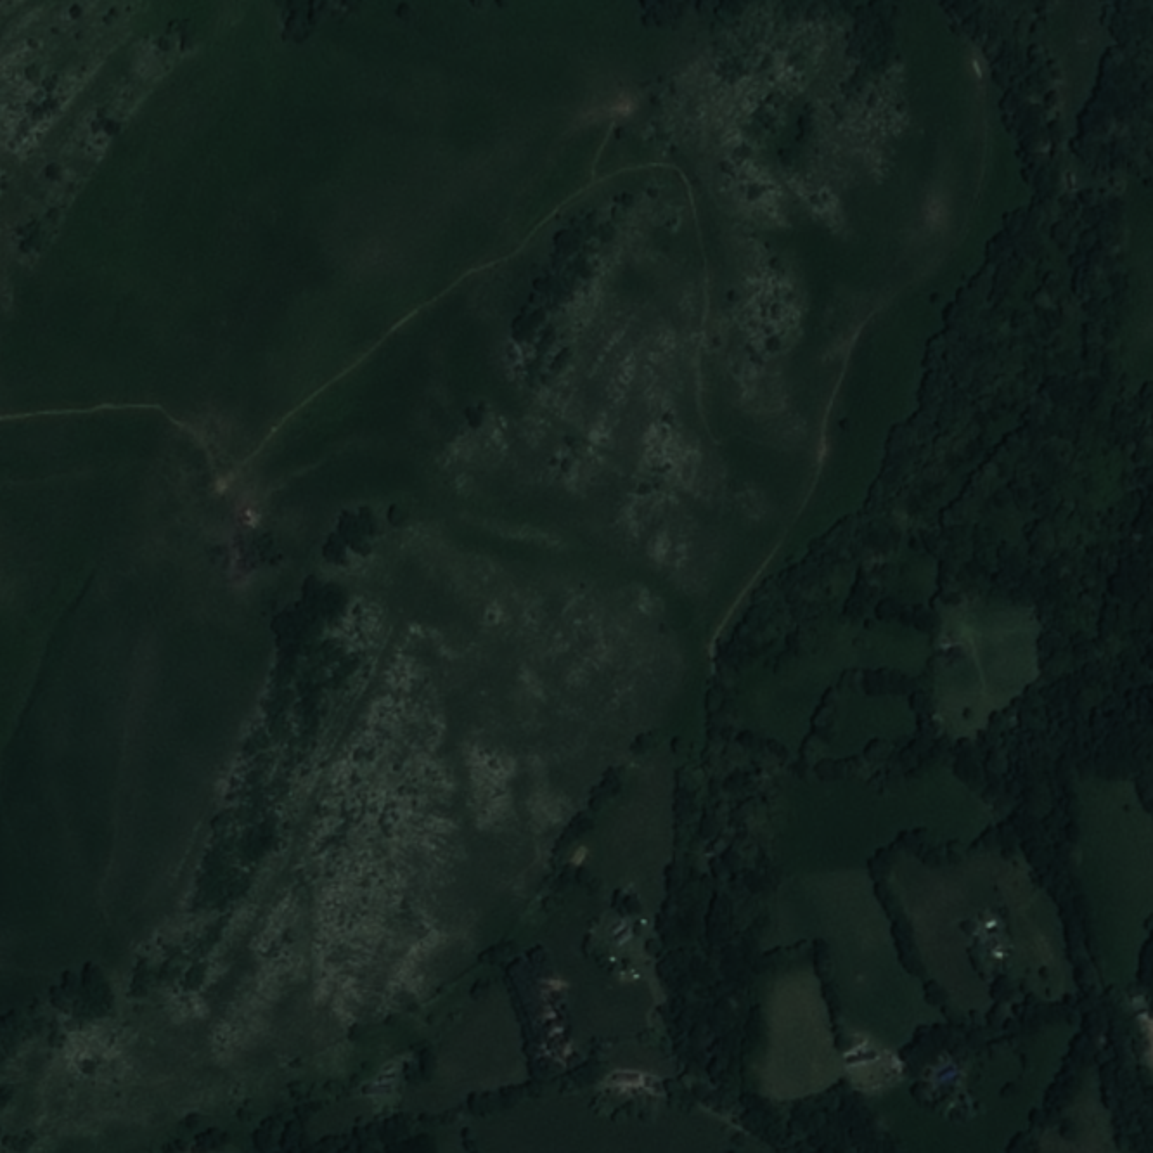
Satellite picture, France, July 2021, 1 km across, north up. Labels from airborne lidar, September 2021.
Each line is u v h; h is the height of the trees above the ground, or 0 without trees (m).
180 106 0
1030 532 9
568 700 0
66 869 0
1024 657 0
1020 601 15
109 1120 0
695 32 0
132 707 0
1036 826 19
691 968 20
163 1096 0
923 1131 0
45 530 0
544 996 20
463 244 0
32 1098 0
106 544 0
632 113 0
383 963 0
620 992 0
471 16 0
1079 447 11
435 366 0
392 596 0
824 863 0
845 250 0
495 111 0
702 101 0
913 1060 25
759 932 21
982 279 17
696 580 0
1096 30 0
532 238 0
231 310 0
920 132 0
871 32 15
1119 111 18
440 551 0
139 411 0
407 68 0
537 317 9
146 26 0
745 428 0
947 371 22
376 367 0
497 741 0
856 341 0
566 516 0
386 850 0
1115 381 17
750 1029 20
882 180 0
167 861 0
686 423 0
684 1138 0
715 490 0
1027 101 22
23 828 0
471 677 0
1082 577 11
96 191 0
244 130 0
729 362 0
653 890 0
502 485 0
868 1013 0
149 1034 0
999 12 21
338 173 0
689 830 14
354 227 0
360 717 0
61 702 0
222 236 0
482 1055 0
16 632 0
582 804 0
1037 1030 20
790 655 9
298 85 0
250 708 0
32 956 0
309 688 11
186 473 0
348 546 9
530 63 0
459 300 0
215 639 0
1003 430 0
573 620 0
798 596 18
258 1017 0
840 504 0
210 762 0
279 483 0
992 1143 0
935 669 9
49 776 0
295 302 0
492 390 0
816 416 0
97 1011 5
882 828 0
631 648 0
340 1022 0
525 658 0
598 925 9
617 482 0
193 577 0
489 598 0
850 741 0
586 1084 22
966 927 12
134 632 0
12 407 0
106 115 8
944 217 0
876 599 23
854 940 0
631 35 0
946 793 0
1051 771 11
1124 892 0
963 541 25
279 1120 10
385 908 0
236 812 6
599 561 0
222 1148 14
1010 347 21
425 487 0
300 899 0
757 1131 17
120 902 0
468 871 0
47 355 0
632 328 0
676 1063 13
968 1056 13
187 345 0
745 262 0
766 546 0
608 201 0
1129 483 14
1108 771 25
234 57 0
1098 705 15
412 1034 0
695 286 0
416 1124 12
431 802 0
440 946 0
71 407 0
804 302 0
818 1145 20
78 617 0
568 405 0
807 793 0
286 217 0
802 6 9
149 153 0
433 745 0
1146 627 10
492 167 0
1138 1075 20
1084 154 24
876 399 0
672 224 8
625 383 0
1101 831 0
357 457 0
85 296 0
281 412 0
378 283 0
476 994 15
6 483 0
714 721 16
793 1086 0
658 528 0
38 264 0
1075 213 20
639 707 0
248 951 0
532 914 0
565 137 0
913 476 20
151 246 0
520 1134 0
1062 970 0
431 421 0
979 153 0
